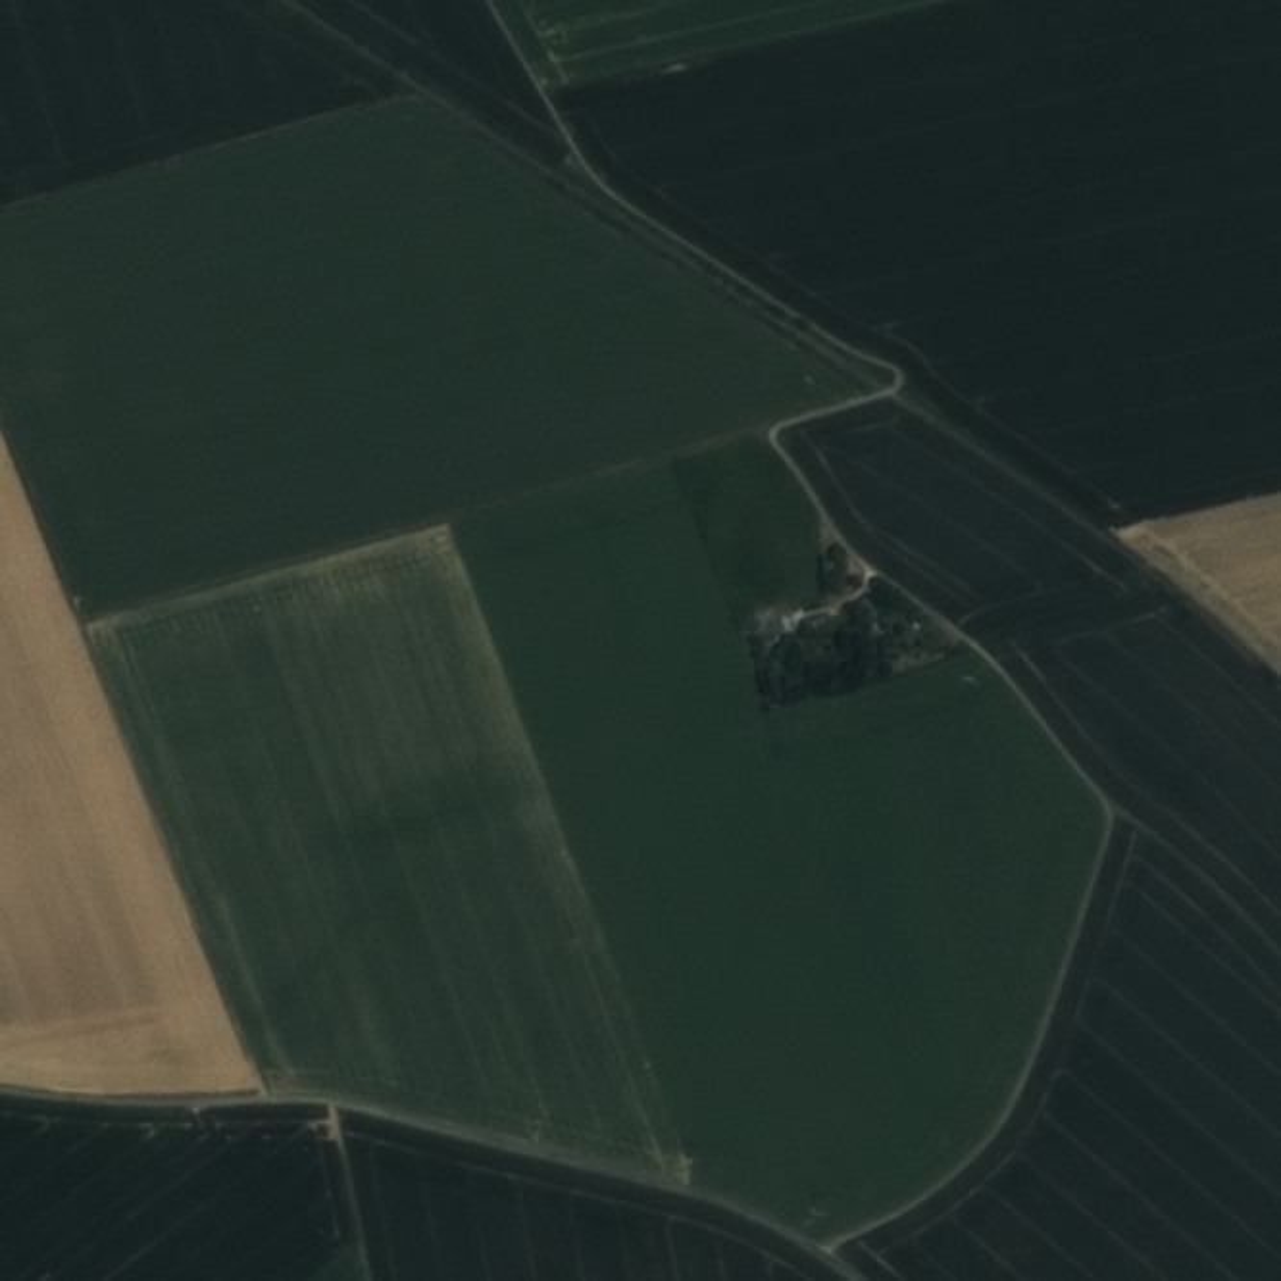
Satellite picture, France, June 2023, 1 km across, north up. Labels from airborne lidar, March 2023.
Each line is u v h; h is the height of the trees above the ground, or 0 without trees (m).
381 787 0
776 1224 0
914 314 0
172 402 0
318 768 0
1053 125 0
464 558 0
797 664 18
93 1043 0
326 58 0
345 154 0
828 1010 0
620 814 0
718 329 0
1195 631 0
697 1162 0
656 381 0
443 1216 0
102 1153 0
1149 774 0
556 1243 0
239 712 0
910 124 0
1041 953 0
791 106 0
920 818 0
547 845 0
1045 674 0
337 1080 0
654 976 0
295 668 0
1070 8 0
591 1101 0
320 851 0
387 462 0
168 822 0
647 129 0
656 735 0
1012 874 0
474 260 0
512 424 0
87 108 0
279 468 0
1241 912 0
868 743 0
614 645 0
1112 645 0
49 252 0
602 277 0
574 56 0
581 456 0
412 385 0
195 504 0
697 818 0
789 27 0
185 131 0
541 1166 0
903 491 0
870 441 0
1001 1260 0
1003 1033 0
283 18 0
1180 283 0
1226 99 0
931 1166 0
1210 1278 0
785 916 0
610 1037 0
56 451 0
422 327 0
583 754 0
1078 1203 0
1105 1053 0
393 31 0
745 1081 0
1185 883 0
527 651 0
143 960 0
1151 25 0
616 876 0
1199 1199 0
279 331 0
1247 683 0
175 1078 0
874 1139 0
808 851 0
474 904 0
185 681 0
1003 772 0
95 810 0
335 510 0
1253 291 0
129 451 0
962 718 0
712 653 0
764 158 0
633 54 0
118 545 0
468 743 0
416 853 0
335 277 0
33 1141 0
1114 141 0
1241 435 0
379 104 0
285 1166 0
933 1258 0
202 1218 0
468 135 0
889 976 0
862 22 0
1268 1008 0
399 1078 0
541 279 0
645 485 0
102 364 0
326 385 0
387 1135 0
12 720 0
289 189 0
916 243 0
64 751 0
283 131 0
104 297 0
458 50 0
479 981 0
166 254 0
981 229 0
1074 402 0
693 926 0
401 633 0
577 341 0
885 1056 0
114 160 0
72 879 0
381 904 0
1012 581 0
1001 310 0
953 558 0
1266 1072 0
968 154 0
